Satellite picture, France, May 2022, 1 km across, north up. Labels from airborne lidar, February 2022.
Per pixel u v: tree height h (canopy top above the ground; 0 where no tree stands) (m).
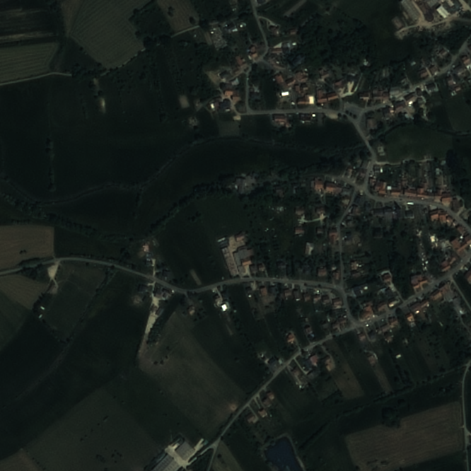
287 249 0
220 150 0
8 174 0
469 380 0
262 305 0
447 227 8
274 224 0
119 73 5
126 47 0
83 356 0
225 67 0
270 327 0
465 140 0
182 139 0
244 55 0
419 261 13
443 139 0
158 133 0
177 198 0
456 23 0
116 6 0
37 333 0
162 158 0
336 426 0
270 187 13
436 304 0
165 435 0
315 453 0
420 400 0
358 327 0
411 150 0
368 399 0
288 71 0
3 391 0
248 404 0
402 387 0
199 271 0
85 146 0
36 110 0
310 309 0
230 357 0
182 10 0
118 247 0
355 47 15
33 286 0
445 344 0
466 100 0
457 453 0
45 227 0
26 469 0
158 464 0
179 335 0
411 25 0
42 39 0
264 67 0
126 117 0
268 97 0
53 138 0
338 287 0
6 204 0
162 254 0
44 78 0
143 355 0
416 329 0
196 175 0
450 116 0
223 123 0
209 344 0
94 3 0
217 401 0
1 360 0
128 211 0
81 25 0
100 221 0
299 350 0
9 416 0
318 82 0
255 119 0
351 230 0
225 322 0
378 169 0
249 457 0
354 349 0
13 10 0
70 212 0
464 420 0
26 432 0
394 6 0
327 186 0
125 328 0
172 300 0
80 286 0
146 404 0
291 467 0
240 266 0
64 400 0
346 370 0
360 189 0
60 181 0
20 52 0
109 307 0
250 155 0
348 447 0
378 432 0
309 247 0
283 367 0
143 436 0
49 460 0
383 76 0
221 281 0
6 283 0
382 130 19
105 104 0
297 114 0
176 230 0
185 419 0
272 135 0
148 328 0
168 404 0
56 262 0
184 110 0
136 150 0
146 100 0
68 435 0
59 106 0
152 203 0
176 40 0
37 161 0
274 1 0
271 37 7
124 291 0
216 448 0
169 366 0
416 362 0
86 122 0
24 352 0
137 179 0
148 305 0
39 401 0
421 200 0
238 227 0
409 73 0
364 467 0
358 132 0
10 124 0
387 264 0
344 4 0
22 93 0
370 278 6
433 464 0
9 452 0
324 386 0
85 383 0
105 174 0
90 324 0
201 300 6
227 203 0
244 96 0
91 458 0
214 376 0
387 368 0
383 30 0
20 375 0
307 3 0
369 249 0
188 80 0
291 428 0
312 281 0
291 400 0
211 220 0
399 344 0
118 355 0
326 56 10
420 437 0
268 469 0
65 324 0
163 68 0
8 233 0
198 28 0
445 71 0
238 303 0
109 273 6
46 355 0
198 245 0
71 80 0
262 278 0
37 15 0
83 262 0
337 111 0
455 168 32
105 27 0
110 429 0
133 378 0
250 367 0
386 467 0
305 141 0
